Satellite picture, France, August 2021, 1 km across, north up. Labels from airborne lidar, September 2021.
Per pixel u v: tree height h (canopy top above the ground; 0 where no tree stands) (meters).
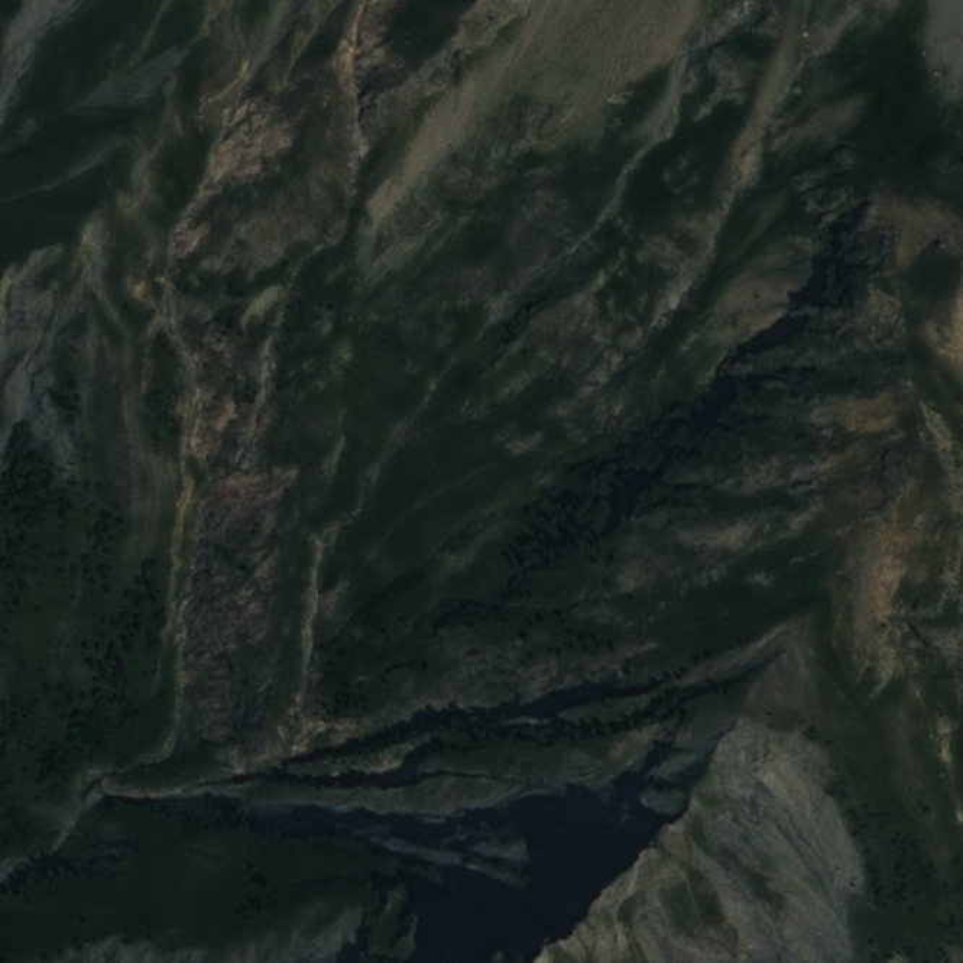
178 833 0
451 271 0
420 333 0
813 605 0
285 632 0
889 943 0
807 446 0
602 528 0
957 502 0
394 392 0
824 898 0
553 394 0
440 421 0
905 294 0
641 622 0
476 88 0
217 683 0
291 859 0
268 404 0
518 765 0
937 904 0
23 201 0
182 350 0
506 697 0
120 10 0
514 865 0
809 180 0
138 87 0
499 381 0
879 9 0
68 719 7
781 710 0
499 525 0
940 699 0
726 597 0
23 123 0
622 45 0
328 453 0
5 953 0
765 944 0
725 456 0
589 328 0
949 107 0
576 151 0
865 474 0
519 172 0
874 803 0
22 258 0
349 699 10
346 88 0
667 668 0
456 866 0
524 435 0
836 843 0
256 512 0
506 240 0
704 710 0
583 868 0
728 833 0
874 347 0
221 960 0
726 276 0
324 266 0
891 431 0
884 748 0
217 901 0
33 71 0
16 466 12
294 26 0
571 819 0
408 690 0
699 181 0
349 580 0
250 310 0
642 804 0
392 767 0
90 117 0
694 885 0
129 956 0
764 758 0
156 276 0
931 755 0
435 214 0
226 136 0
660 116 0
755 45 0
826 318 0
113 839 0
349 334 0
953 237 0
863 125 0
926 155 0
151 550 0
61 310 0
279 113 0
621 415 0
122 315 0
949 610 0
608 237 0
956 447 0
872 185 0
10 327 0
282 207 0
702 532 0
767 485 0
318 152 0
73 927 0
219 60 0
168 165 0
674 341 0
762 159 0
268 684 0
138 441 0
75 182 0
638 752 0
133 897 0
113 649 14
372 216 0
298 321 0
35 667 0
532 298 0
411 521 0
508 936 0
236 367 0
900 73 0
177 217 0
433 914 0
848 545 0
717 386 0
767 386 0
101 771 0
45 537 0
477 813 0
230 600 0
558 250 0
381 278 0
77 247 0
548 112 0
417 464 0
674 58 0
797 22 0
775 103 0
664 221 0
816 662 0
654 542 0
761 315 0
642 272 0
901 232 0
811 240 0
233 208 0
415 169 0
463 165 0
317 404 0
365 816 0
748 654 0
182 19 0
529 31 0
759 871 0
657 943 0
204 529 0
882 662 0
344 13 0
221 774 0
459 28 0
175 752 0
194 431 0
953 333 0
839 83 0
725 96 0
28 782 0
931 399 0
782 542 0
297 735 0
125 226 0
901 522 0
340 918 0
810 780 0
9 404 0
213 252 0
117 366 0
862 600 0
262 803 0
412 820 0
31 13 0
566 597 0
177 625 0
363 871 0
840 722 0
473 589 0
